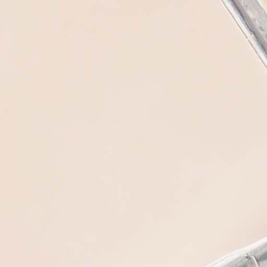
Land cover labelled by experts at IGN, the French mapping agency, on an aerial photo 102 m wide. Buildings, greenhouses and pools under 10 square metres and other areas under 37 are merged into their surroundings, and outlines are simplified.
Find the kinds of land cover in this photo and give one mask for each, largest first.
<instances>
[{"label":"water","instance_id":"1","mask_svg":"<svg viewBox=\"0 0 267 267\"><path fill-rule=\"evenodd\" d=\"M267 236V75L217 0H0V267H203L228 252ZM267 58V44L239 0H228Z\"/></svg>","mask_w":267,"mask_h":267},{"label":"pervious surface","instance_id":"2","mask_svg":"<svg viewBox=\"0 0 267 267\"><path fill-rule=\"evenodd\" d=\"M267 75V58L228 0H217ZM267 44V0H239ZM203 267H267V236L228 252Z\"/></svg>","mask_w":267,"mask_h":267}]
</instances>
